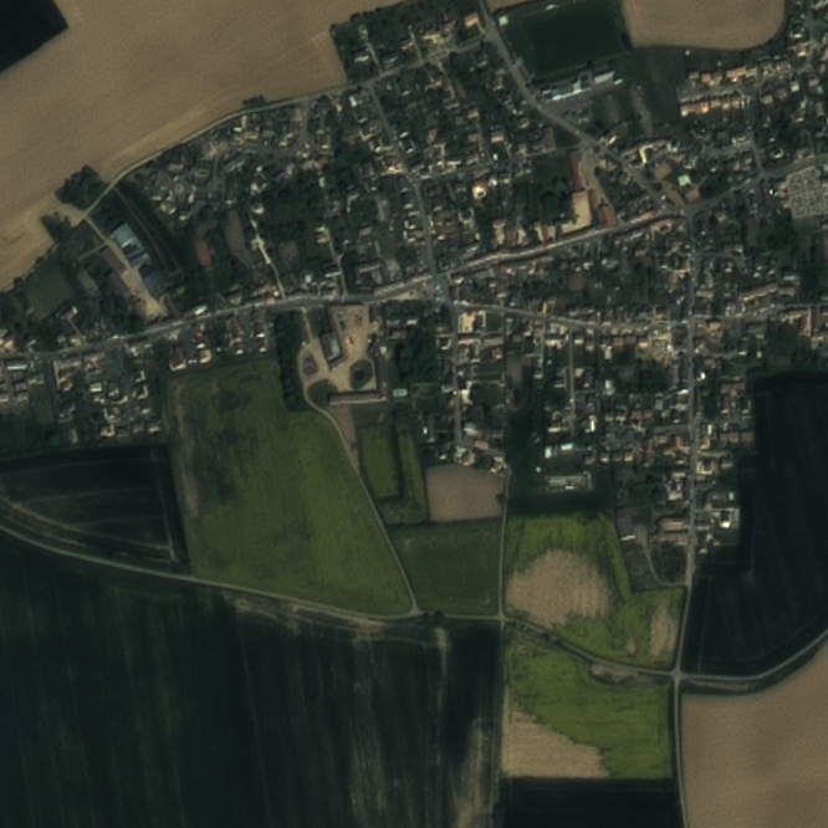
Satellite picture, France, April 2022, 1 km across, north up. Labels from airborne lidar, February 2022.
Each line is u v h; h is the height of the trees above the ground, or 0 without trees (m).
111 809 0
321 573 0
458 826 0
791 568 0
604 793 0
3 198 0
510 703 0
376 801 0
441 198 6
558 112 0
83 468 0
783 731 0
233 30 0
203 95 0
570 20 0
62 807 0
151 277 0
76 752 0
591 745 0
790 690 0
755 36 0
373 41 8
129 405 0
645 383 14
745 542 0
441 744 0
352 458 0
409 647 0
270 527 0
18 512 0
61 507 0
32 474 0
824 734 0
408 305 8
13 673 0
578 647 0
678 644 0
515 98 0
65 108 0
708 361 0
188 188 0
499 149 8
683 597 0
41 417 0
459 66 13
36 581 0
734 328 0
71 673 0
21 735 0
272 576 0
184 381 0
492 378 0
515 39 0
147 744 0
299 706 0
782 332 8
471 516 0
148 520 0
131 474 0
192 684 0
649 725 0
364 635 0
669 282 0
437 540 0
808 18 0
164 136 0
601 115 0
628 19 0
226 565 0
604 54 0
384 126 0
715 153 0
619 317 0
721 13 0
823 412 0
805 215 0
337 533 0
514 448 0
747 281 0
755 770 0
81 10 0
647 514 0
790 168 0
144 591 0
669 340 0
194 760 0
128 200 0
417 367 18
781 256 0
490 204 7
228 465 0
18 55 0
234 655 0
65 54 0
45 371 0
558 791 0
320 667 0
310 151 0
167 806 0
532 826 0
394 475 0
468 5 0
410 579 0
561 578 0
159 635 0
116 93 0
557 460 0
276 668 0
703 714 0
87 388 5
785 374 0
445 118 7
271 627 0
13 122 0
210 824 0
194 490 0
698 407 0
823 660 0
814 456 0
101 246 0
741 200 7
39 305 0
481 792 0
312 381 0
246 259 0
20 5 0
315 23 0
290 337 11
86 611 0
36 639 0
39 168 0
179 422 0
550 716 0
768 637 0
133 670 0
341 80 0
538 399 0
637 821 0
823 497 0
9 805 0
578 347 0
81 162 0
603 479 0
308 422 0
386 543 0
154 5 0
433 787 0
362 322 0
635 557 0
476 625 0
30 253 0
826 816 0
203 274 10
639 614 0
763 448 0
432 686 0
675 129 0
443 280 0
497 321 0
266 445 0
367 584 0
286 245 0
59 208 0
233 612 0
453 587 0
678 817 0
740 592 0
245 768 0
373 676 0
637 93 0
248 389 0
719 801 0
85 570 0
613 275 6
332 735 0
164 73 0
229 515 0
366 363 0
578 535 0
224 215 8
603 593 0
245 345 0
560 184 12
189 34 0
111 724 0
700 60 0
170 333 0
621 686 0
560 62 0
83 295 0
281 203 11
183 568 0
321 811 0
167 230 0
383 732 0
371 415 0
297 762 0
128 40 0
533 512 0
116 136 0
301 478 0
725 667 0
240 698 0
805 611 0
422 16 0
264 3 0
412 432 0
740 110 0
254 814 0
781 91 0
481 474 0
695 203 0
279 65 0
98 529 0
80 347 0
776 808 0
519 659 0
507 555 0
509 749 0
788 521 0
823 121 6
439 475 0
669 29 0
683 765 0
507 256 0
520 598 0
